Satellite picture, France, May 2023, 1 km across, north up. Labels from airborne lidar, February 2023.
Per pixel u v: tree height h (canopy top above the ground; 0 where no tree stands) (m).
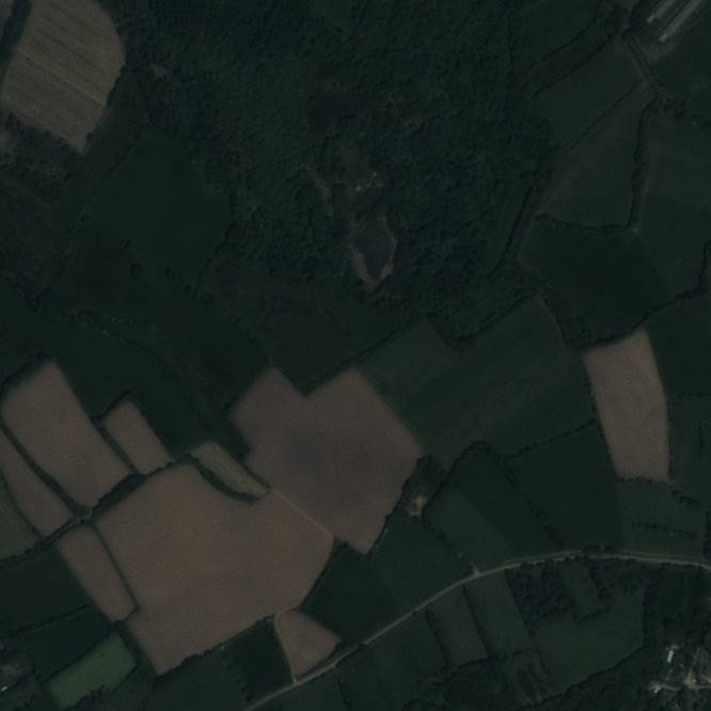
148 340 0
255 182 8
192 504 0
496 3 0
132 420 0
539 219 7
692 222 0
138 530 0
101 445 0
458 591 0
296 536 0
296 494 0
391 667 0
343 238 14
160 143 0
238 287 0
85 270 0
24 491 0
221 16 7
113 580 0
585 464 0
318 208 13
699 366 0
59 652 0
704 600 0
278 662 0
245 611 0
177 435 0
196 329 0
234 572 0
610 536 0
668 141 0
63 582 0
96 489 0
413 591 0
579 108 0
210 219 0
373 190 5
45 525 0
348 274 14
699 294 15
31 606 0
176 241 0
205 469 10
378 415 0
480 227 9
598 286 0
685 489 0
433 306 11
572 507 0
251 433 0
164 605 0
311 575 0
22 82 0
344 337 0
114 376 0
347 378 0
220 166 11
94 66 0
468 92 14
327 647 0
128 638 8
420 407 0
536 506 6
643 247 0
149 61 14
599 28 0
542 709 16
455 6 6
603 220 0
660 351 0
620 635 0
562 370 0
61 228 0
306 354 0
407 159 8
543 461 0
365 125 12
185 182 0
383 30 9
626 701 16
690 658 10
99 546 0
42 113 0
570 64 0
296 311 0
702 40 0
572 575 0
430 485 0
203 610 0
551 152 17
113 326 0
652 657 17
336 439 0
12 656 15
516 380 0
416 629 0
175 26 10
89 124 0
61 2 0
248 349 0
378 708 0
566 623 0
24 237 0
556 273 0
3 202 0
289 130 8
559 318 14
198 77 10
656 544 0
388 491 0
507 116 9
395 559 0
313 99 11
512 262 9
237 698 0
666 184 0
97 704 6
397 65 12
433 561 0
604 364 0
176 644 0
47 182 10
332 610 0
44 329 0
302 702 0
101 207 0
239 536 0
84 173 0
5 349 0
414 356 0
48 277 0
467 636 0
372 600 0
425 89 7
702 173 0
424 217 10
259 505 0
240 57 10
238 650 0
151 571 0
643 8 15
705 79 0
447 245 19
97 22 0
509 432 0
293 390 0
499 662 14
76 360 0
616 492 0
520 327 0
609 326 0
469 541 0
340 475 0
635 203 8
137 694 0
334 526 0
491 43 19
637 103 0
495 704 16
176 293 0
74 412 0
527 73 8
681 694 12
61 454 0
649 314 7
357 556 7
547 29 0
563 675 0
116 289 0
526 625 8
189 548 0
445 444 0
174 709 0
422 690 9
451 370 0
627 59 0
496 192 8
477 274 17
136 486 9
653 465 0
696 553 0
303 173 12
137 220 0
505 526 0
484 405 0
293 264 20
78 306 0
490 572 0
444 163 18
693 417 0
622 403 0
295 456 0
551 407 0
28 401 0
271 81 9
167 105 8
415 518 7
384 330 0
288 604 0
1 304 0
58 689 0
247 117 6
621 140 0
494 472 0
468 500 0
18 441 6
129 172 0
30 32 0
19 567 10
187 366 0
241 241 9
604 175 0
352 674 0
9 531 0
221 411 0
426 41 9
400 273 14
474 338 12
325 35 14
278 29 13
